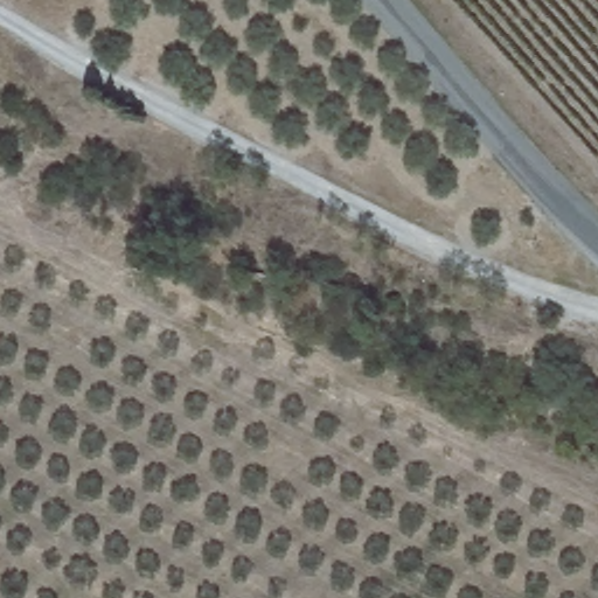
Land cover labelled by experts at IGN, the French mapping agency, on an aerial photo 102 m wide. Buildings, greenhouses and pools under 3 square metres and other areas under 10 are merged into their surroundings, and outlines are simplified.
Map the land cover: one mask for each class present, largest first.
<instances>
[{"label":"deciduous trees","instance_id":"1","mask_svg":"<svg viewBox=\"0 0 598 598\"><path fill-rule=\"evenodd\" d=\"M110 14L114 19L112 26L100 30L93 23V14L89 9H79L75 16V30L82 37L91 44V63L84 77L86 98L105 100L110 107H114L121 117L128 119H145L147 112L133 91L114 86V82L100 79V68L119 70V65L131 56L133 26L147 14L159 12L178 16L180 21L175 42L166 44L159 58L161 75L166 84L180 89L185 105L199 107H206L213 100V72L224 68L229 89L238 96H245L250 112L262 121L271 124L273 140L280 145H304L308 142V131L320 126L322 131L336 138V150L343 159H353L367 152L371 138L369 126L350 119L348 96L360 98V110L364 114L381 117L383 138L404 150V166L411 173H420L425 178L427 192L432 196H449L456 189L458 171L453 164L458 161V157H474L479 145V128L474 119L456 110L444 93H432L427 86V68L423 63H413L406 58V47L402 40H385L378 49V65L395 77V89L402 98L420 105L423 128L416 131L404 110H392L388 105L385 86L376 77L364 72L362 58L357 54L341 56L334 47V37L327 30L315 35L313 47L315 54L325 56L332 63V70L322 75L320 65H301L297 47L285 40L280 23L276 21L278 12L285 9L292 0H266V12L255 14L245 28L250 47L245 51H238L236 37H231L224 28L215 26L213 14L208 9L210 0H107ZM231 19H238L248 9L250 0H222ZM332 7L334 21L348 26L350 37L364 44L367 49L371 47V40L376 37L378 28L376 16L362 14L364 0H325ZM65 135L63 124L49 112V107L42 100L26 98L23 89L7 84L5 89H0V166L14 182V194L21 201L23 213L33 222H44L58 203L72 201L82 210L84 222H89L93 229L110 231V208L121 210V215L131 224L126 234V264L131 266V271L126 273V285L140 287L145 297H152L164 308L178 306V311L185 318H192L185 325L187 341L196 353L192 360V364L199 371L210 367L213 353H224L229 343L206 332L208 311L196 308L199 299H215L227 306H236L241 313H273L299 355L308 357L315 346H327L329 353L341 357H360L364 376H378L385 369L397 371L399 388L409 397L411 399L406 402V409L392 411V406L385 404L381 416V423L390 427L383 434L388 441H381L374 451L376 470L388 472L397 465L395 441L399 437L411 434V439L416 441H425L420 413L430 406V411L441 413L456 427L477 432L484 439L495 432L523 430V437L533 441L540 451H554L558 458H568L572 463H589L598 458V376L584 360L582 341L565 332L540 339L530 353L523 355H507L505 350H484L479 334L472 329L470 315L465 311H430L425 306V301L432 299L451 301V294L441 292L427 276L411 273L406 266L390 262L388 248L395 241L383 229H378L371 213H360L357 220L355 231L369 236L374 243L371 278L367 283L360 280L357 273L348 271L346 262L339 255L306 252L304 257H299L290 243L280 238H269L266 243V266H257L252 250L245 245L229 250L227 264H215L203 250V243L210 236H231L234 229L243 224V220L236 206H231L227 199L215 196V192L238 182V173L243 178H252L255 187H264L269 182L271 187L280 189L285 182L269 173V164L259 152H236L231 147V140L217 131H213L210 142L203 145L199 152L201 168L192 173L187 180L173 178L166 185H152L147 180V166L142 164L138 152H124L98 135L86 138L82 142L79 154H68L61 161L54 147L61 145ZM500 234V213L493 208H481L472 215V236L477 245H488ZM26 252L21 245H7L5 264L7 271H14L23 264ZM470 259L467 255L460 264L449 262L446 257L439 262V276L444 280L477 287L486 299H505L507 290L502 271L495 269L491 278H470L465 273ZM35 280H37V283H42V285H47V287H51V285H54V271L49 269V266H47V264H44V262H40L37 266H35ZM23 294L19 290H5L0 297V308L5 315H14L21 306ZM117 301L110 294H103L96 301V311L103 318H110L114 315ZM30 325L37 334L47 332L51 325V306L40 301L30 308ZM563 315L561 304L540 301V327L554 325ZM150 320L142 313H131L126 318V332L131 339H138L147 332ZM164 355H171L175 350L178 334L171 329L159 334V346ZM19 341L14 334L0 332V362L14 360ZM114 357V341L110 336H98L91 341V360L93 364L103 367ZM276 346L271 336H264L255 343L252 355L259 360H271ZM49 353L30 348L26 353V374L30 378H40L47 367ZM121 371L126 383H138L147 371L142 357L126 355L121 362ZM82 374L75 367L68 364L56 371L54 383L61 392L70 395L79 385ZM152 385L157 397L166 402L175 392V376L168 371H159ZM276 392V381L259 378L255 390L259 404L266 406ZM114 395V388L107 383L98 381L89 390L86 402L93 409L103 411L110 406ZM208 404V392L189 390L185 397L187 416L199 418ZM42 409V397L28 392L23 395L19 406V413L26 420L35 423ZM306 411L301 395L297 392H294L287 395L280 404V413L287 423L299 420ZM145 406L135 397H126L119 404L117 416L121 425L133 427L142 420ZM77 413L70 406H61L51 413L49 430L56 439L65 441L75 432ZM213 425L217 432H229L236 425V409L224 406L215 413ZM339 430V416L332 411H320L315 418V434L320 439H329ZM175 423L171 413H157L150 423L147 437L154 444H164L173 437ZM243 434L245 441L264 449L266 425L257 420L245 427ZM105 444V432L91 423L82 434L79 449L84 456H98ZM178 453L187 460H196L201 453V439L187 432L178 444ZM42 453L40 441L35 437H21L16 441V460L23 467H33ZM138 460V449L128 441H119L112 449V463L119 472H128ZM210 467L217 479H227L234 467L231 453L224 449H215L210 456ZM47 470L51 479L63 481L70 472L68 456L51 453ZM334 474V460L329 456H318L308 463V477L313 484H325ZM430 472L425 460H413L406 467L409 488L425 486ZM166 465L150 463L142 470V484L145 488L154 491L161 488ZM266 484V467L245 465L241 474V488L245 493H259ZM103 488V474L98 470H89L77 479V495H82L84 500L98 498ZM479 479L465 470L456 477H441L437 479L434 488V500L439 505L453 502L460 484ZM362 491V477L357 472H346L341 477V498L350 500L357 498ZM502 491L514 493L521 486V477L516 472H505L500 481ZM171 493L175 500H194L199 495L196 474H185L173 481ZM37 495V484L23 479L14 484L12 502L14 507H23L26 512L33 507V502ZM271 495L280 507H290L297 495V488L290 481H278ZM135 495L131 488L119 486L110 493V505L117 512H128L133 507ZM367 509L374 516H388L392 509V493L390 488L376 486L367 500ZM551 491L535 488L530 500V507L537 512L549 505ZM229 512V498L224 493H213L206 500V516L220 523ZM493 502L484 493H474L467 498L465 509L472 523L481 526L488 519ZM70 507L63 498H51L42 507V519L47 528L54 530L65 519ZM301 514L306 526L322 528L329 516V509L320 498H315L304 505ZM425 507L418 502H406L399 514V528L404 533H413L423 523ZM164 521L161 507L145 505L140 514V526L145 530H157ZM561 519L572 528L579 526L584 521V509L579 505H565ZM262 528V514L255 507H245L236 516L234 530L245 542H252ZM521 528V523L516 509H505L498 514L495 526L502 540L516 537ZM75 537L82 542L96 540L98 521L93 514H82L75 519ZM355 521L339 519L336 537L343 542L355 540ZM194 537V526L189 521H180L173 533V542L178 549H182ZM458 537V528L449 521H437L432 523L427 540L439 549H451ZM30 544V528L19 523L7 533V547L21 554ZM292 542V533L287 528H276L269 533L266 547L273 556H283ZM554 547L551 530L547 528H535L530 533L528 551L533 556H540ZM128 554V540L124 533L112 530L105 537V556L110 563H117ZM390 544V535L374 533L364 542V556L369 561H383ZM488 554V542L486 537H474L465 544V556L470 563H479ZM224 551V542L210 540L203 544V561L206 565H217ZM325 554L320 547L306 544L299 551V565L306 572H313L322 563ZM135 565L140 572H157L159 554L145 547L138 549ZM423 563V551L418 547H406L397 551L395 568L404 575H411ZM561 568L565 572H575L584 563V554L579 547H565L558 558ZM98 575L96 561L91 558V554H79L70 556V563L65 565V577L72 584L93 582ZM514 570V554H498L495 572L507 577ZM252 572V558L236 556L231 563V575L241 582ZM355 570L346 561H336L332 565V584L339 591H346L353 584ZM453 582V570L432 563L425 575V584L437 596H444L449 584ZM28 589L26 570L12 568L0 575V598H23ZM549 586L547 575L528 572L526 593L530 598H542ZM381 579L367 577L360 586V598H378ZM196 598H220V586L215 582H201L196 589Z\"/></svg>","mask_w":598,"mask_h":598},{"label":"herbaceous vegetation","instance_id":"2","mask_svg":"<svg viewBox=\"0 0 598 598\"><path fill-rule=\"evenodd\" d=\"M7 84L23 89L26 98L42 100L49 107V112L63 124L65 135L61 145L54 147L61 161L68 154H79L82 142L86 138L98 135L124 152H138L142 164L147 166V180L152 185H166L173 178L187 180L192 173L201 168L199 152L203 145L173 128L168 121L147 112L145 119H128L121 117L114 107H110L105 100L86 98L84 77L65 72L58 63H51L49 58L40 56L9 30L0 28V89H5ZM276 152L287 161L449 241L451 252L446 257L449 262L460 264L467 255L470 259L465 273L470 278H491L495 269L502 271L512 266L526 276L598 297V255L589 250L558 217L542 213L540 203L519 187L514 178H509L502 164L493 159V154L486 147L479 145L474 157H458V161L453 164L458 171L456 189L449 196H432L427 192L425 178L420 173H411L404 166V150L383 138H371L367 152L353 159H343L336 150V138L322 131L320 126L308 131V142L304 145H280ZM481 208H493L500 213V234L488 245H477L472 236V215ZM215 196L227 199L231 206H236L243 220V224L234 229L231 236H210L203 243V250L215 264H227L229 250L245 245L252 250L257 266H266V243L269 238H280L290 243L299 257H304L306 252L339 255L346 262L348 271L357 273L360 280L367 283L371 278L374 243L369 236L355 231L357 220L348 217V203H343L339 196L329 194L327 201H322L285 182L280 189L271 187L269 182L264 187H255L252 178H243L238 173V182L215 192ZM390 262L406 266L411 273L427 276L441 292L451 294V301L432 299L425 301V306L430 311H465L470 315L472 329L479 334L484 350H505L507 355H523L530 353L540 339L565 332L582 341L584 360L598 376V322L568 320L563 315L554 325L540 327V301L523 299L516 292L507 290L505 299H486L477 287L444 280L439 276V262L425 259L411 248H404L395 241L388 248ZM147 371L138 383H126L121 371L112 376L107 383L114 388V395L110 406L103 411L93 409L86 402L89 390L79 385L70 395L61 392L54 383L56 371L47 367L40 378H30L26 381L28 392L42 397V409L35 423L26 420L19 427L28 437H35L40 441L42 453L33 467H23V479L37 484V495L33 502L42 507L51 498H63L70 507L65 519L75 523V519L82 514H93L98 521L96 540L82 542L79 554H91V558L96 561L98 575L93 582L103 586L105 598H196V589L201 582H215L220 586V598H360V586L367 577L381 579L378 598H530L526 593L528 572L547 575L549 586L542 598H598V542L593 537H586L579 526L572 528L561 519L558 523H551L547 528L551 530L554 547L540 556H533L528 551L530 533L521 528L516 537L502 540L495 526L498 514L505 509H516L521 523L537 512L530 507V500L526 505H519L514 493L502 491L500 481L488 484L484 477L479 479L460 484L453 502L439 505L434 500V488L437 479L441 477L430 472L425 486L409 488L406 467L413 460L409 456V449L416 441L411 439V434L399 437L395 441L397 465L388 472L376 470L374 451L381 441H388L383 434L390 427L381 423V416L367 418L360 404L343 409L348 388L362 390V385L369 381L371 388L381 392L409 397L399 388L397 371L385 369L378 376H364L360 357H341L336 362V390H320L311 383L297 392L301 395L306 411L299 420L287 423L280 413V404L287 395L294 392L287 383L276 381V392L266 406L259 404L255 390H236L231 383L222 378L220 371L210 367L199 371L192 364V360H180L175 350L171 355H164L159 346L142 357ZM159 371H168L175 376V392L166 402L157 397L152 385ZM189 390L208 392V404L199 418L187 416L185 397ZM126 397H135L145 406L142 420L133 427L121 425L117 416L119 404ZM61 406H70L77 413L75 432L65 441L56 439L49 430L51 413ZM224 406L236 409V425L229 432H217L213 425L215 413ZM320 411H332L339 416V430L329 439H320L315 434V418ZM157 413H171L175 423L173 437L164 444H154L147 437L150 423ZM257 420L266 425L264 449L245 441L243 434L245 427ZM91 423L105 432V444L98 456H84L79 449L82 434ZM187 432L201 439V453L196 460H187L178 453V444ZM119 441H128L138 449V460L128 472H119L112 463V449ZM215 449H224L231 453L234 467L227 479H217L210 467V456ZM51 453L68 456L70 472L63 481L51 479L47 470ZM318 456H329L334 460V474L325 484H313L308 477V463ZM150 463L166 465L161 488L154 491L145 488L142 484V470ZM245 465L266 467V484L259 493H245L241 488V474ZM89 470H98L103 474V488L98 498L84 500L82 495H77V479ZM346 472H357L362 477V491L357 498L350 500L341 498V477ZM185 474H196L199 495L194 500H175L171 493L173 481ZM278 481H290L297 488V495L290 507H280L271 495ZM119 486L131 488L135 495L133 507L128 512H117L110 505V493ZM376 486L390 488L392 493V509L388 516H374L367 509V500ZM213 493H224L229 498V512L220 523L206 516V500ZM474 493H484L493 502L488 519L481 526L472 523L465 509L467 498ZM315 498H320L329 509V516L322 528L306 526L301 514L304 505ZM406 502H418L425 507L423 523L413 533H404L399 528V514ZM145 505L161 507L164 521L157 530H145L140 526V514ZM245 507H255L262 514V528L252 542H245L234 530L236 516ZM339 519L355 521V540L343 542L336 537ZM180 521H189L194 526V537L182 549H178L173 542V533ZM437 521H449L458 528V537L451 549H439L427 540L432 523ZM276 528H287L292 533V542L283 556H273L266 547L269 533ZM112 530L124 533L128 540V554L117 563H110L105 556V537ZM374 533L390 535V544L383 561H369L364 556V542ZM474 537H486L488 542V554L479 563H470L465 556V544ZM210 540L224 542V551L217 565H206L203 561V544ZM306 544L320 547L325 554L322 563L313 572H306L299 565V551ZM145 547L159 554L157 572H140L135 565L138 549ZM406 547H418L423 551V563L411 575H404L395 568L397 551ZM565 547H579L584 554V563L575 572H565L561 568L558 558ZM498 554H514V570L507 577L495 572ZM236 556L252 558V572L241 582L231 575V563ZM336 561H346L355 570L353 584L346 591H339L332 584V565ZM432 563L453 570V582L449 584L444 596H437L425 584V575Z\"/></svg>","mask_w":598,"mask_h":598},{"label":"plowed land","instance_id":"3","mask_svg":"<svg viewBox=\"0 0 598 598\"><path fill-rule=\"evenodd\" d=\"M16 9V14L51 33L61 42L77 47L82 37L75 30V16L79 9H89L93 14V23L100 30L112 26L114 19L110 14L107 0H7ZM266 0H250L248 9L238 19H231L222 0H210L208 9L213 14L215 26L224 28L231 37H236L238 51H245L250 47L245 28L255 14L266 12ZM276 21L280 23L285 40L297 47L301 65H320L322 75L332 70V63L325 56L315 54L313 47L315 35L327 30L334 37V47L341 56L357 54L362 58L364 72L376 77L385 86L388 105L392 110H404L416 131L423 128L420 105L402 98L395 89V77L378 65V49L385 40H390L378 28L376 37L371 40V47L367 49L364 44L350 37L348 26L334 21L332 7L325 0H292L285 9L278 12ZM423 14V19L430 23V28L446 42V47L458 56V61L470 70V75L491 93L493 103L505 112V117L516 126V131L523 138H528L537 147V152L554 166V171L568 180L572 189L570 194L591 201L593 208H598V161L582 145V140L561 121V117L535 93V89L519 75V70L498 51V47L474 26V21L463 12V7L456 0H411ZM180 21L178 16L159 12L147 14L133 26L131 56L119 65V70L135 82L142 77L157 79L161 75L159 58L166 44L175 42ZM213 100L206 107H199V114L203 119L222 124L245 140H259L262 145H269L273 140L271 124L262 121L250 112L245 96H238L229 89L224 68L213 72ZM350 119L369 126L371 138H383L381 117L364 114L360 110V98L348 96ZM110 231L93 229L89 222H84L82 210L72 201L58 203L44 222H33L23 213L21 201L14 194V182L0 166V297L5 290H19L23 294L21 306L14 315H5L0 308V332L14 334L19 341L14 360L0 362V575L12 568L26 570L28 589L23 598H105L103 586L93 582L72 584L65 577V565L70 563V556L79 554L82 542L75 537V523L65 519L54 530L47 528L42 519V507L33 502V507L26 512L23 507H14L12 502L14 484L23 479V467L16 460V441L21 437H28L19 427L26 420L19 413V406L23 395L28 392L26 381L30 378L26 374V353L30 348L49 353L47 367L56 371L68 364L75 367L82 374L79 385L89 390L98 381L107 383L112 376L121 371V362L126 355L142 357L159 346V334L171 329L178 334L175 350L180 360H192L196 353L187 341L185 325L192 318H185L178 311V306L164 308L152 297H145L140 287L126 285V273L131 271V266L126 264V234L131 224L121 215V210L110 208ZM7 245H21L26 252L23 264L14 271H7L5 264ZM40 262H44V264H47V266H49V269L54 271V285H51V287H47V285H42V283H37V280H35V266H37ZM103 294H110L117 301L114 315L110 318H103L96 311V301ZM40 301L51 306V325L47 332L37 334L30 325V308ZM131 313H142L150 320L147 332L138 339H131L126 332V318ZM98 336H110L114 341V357L103 367L93 364L91 360V341ZM19 523L30 528V544L21 554L7 547V533ZM196 308L208 311L206 332L229 343L224 353H213L210 367L220 371L222 378L231 383L236 390H255L259 378L276 381L287 383L294 392H297L311 383L320 390H336V362L341 357L329 353L327 346H315L308 357L299 355L273 313H241L236 306H227L215 299H199ZM264 336H271L276 346L271 360H259L252 355L255 343ZM411 399L409 397L381 392L371 388L369 381L362 385V390L348 388L343 409L360 404L367 418L381 416L385 404L392 406V411L406 409V402ZM425 441H416L409 449V456L413 460H425L430 472L441 477H456L465 470L479 479L484 477L488 484L500 481L505 472H516L521 477V486L514 493L519 505H526L530 500L535 488L551 491L549 505L537 512L521 523V528L530 533L535 528H547L551 523H558L561 519L565 505H579L584 509V521L579 526L586 537H593L598 542V458L589 463H572L568 458H558L554 451H540L533 441L523 437V430L495 432L484 439L477 432L456 427L441 413L430 411V406L420 413Z\"/></svg>","mask_w":598,"mask_h":598},{"label":"pervious surface","instance_id":"4","mask_svg":"<svg viewBox=\"0 0 598 598\"><path fill-rule=\"evenodd\" d=\"M0 28L9 30L40 56L49 58L51 63H58L65 72L84 77L91 63V44L82 37L77 47L61 42L51 33L16 14V9L7 0H0ZM362 14L376 16L378 28L390 40H402L406 47V58L413 63H423L427 68V86L432 93H444L456 110L474 119L479 128V145L486 147L493 154V159L502 164L509 178H514L519 187L540 203L542 213L558 217L589 250L598 255V208H593L591 201L570 194L572 189L568 180L554 171V166L537 152V147L528 138H523L516 131V126L505 117V112L493 103L491 93L470 75V70L458 61V56L446 47V42L430 28V23L423 19V14L411 0H364ZM100 79L114 82V86L133 91L147 112L168 121L173 128L203 145L210 142L213 131H217L231 140V147L236 152H259L269 164V173L285 182L322 201H327L329 194L339 196L343 203H348V217L357 220L360 213H371L378 229H383L395 241L404 248H411L425 259L439 262L446 257L451 252L449 241L287 161L276 152L280 145L273 140L269 145H262L259 140H245L222 124L203 119L199 114V107L185 105L180 89L166 84L161 75L157 79L142 77L135 82L119 70L100 68ZM507 290L516 292L523 299L540 301L561 304L563 315L568 320L598 322V297L526 276L512 266L502 271Z\"/></svg>","mask_w":598,"mask_h":598},{"label":"vineyard","instance_id":"5","mask_svg":"<svg viewBox=\"0 0 598 598\"><path fill-rule=\"evenodd\" d=\"M463 7V12L474 21V26L498 47V51L519 70V75L535 89V93L561 117V121L582 140V145L598 161V0H456Z\"/></svg>","mask_w":598,"mask_h":598}]
</instances>
